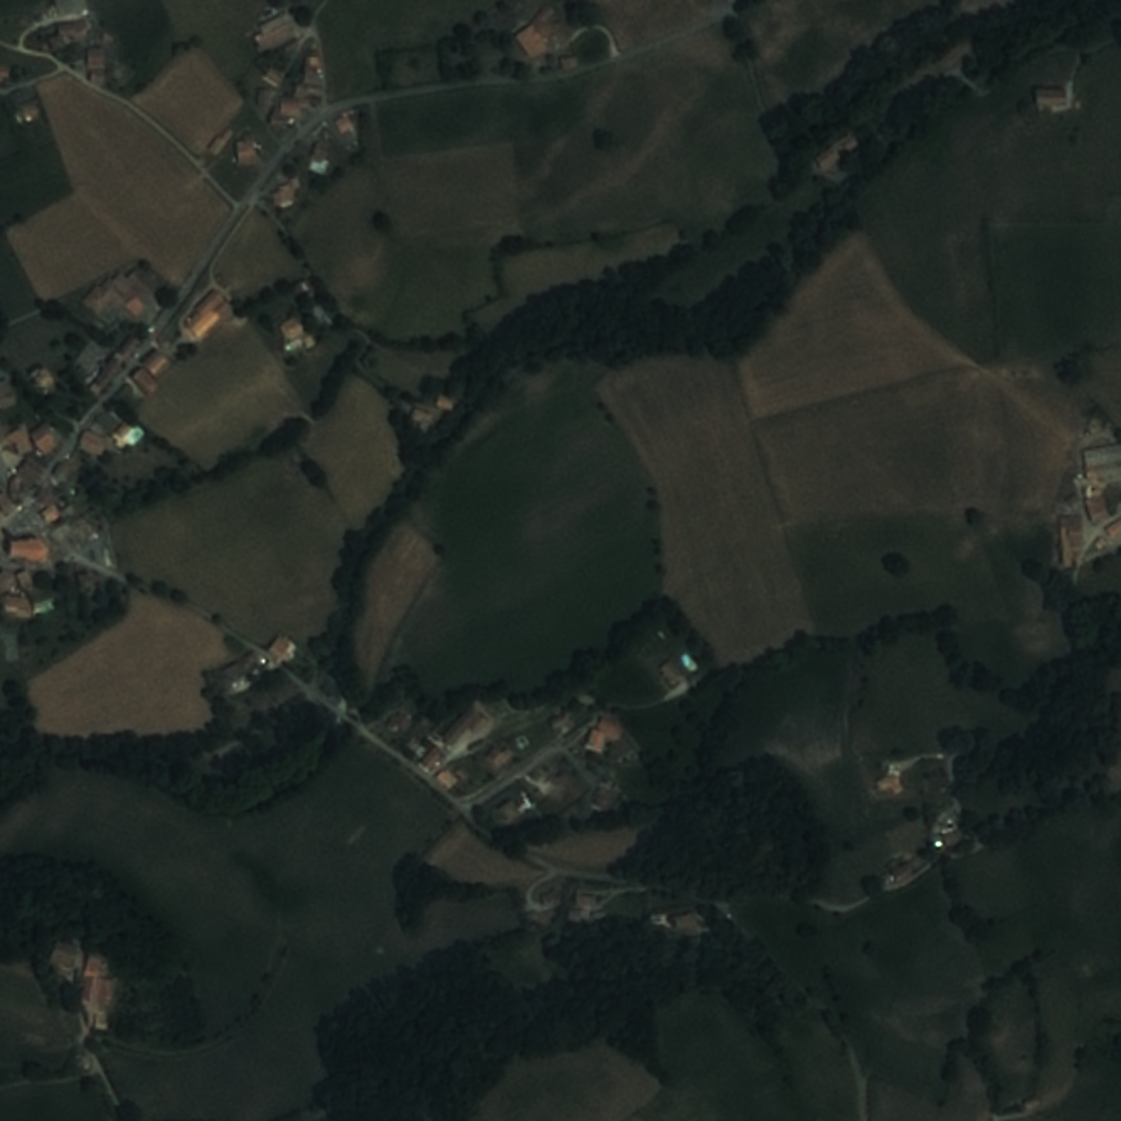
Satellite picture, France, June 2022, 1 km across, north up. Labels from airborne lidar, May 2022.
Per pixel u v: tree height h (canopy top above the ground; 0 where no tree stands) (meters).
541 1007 25
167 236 0
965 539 0
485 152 0
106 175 0
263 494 0
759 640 0
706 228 0
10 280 0
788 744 0
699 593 0
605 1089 0
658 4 0
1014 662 0
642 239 0
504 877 0
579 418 0
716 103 0
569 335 21
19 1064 0
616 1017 22
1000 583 0
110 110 0
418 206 0
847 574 0
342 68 0
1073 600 20
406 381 0
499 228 0
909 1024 0
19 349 0
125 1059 0
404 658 0
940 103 31
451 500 0
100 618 14
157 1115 0
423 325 0
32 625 8
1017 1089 0
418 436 19
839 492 0
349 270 0
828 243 19
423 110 0
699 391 0
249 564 0
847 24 0
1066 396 0
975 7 0
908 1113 0
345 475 0
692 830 31
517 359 20
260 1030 0
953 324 0
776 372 0
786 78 0
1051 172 0
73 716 0
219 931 0
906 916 0
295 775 18
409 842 0
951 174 0
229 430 0
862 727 0
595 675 21
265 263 0
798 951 0
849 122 19
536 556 0
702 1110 0
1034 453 0
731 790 14
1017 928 0
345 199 0
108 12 0
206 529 0
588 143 0
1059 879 0
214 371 0
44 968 11
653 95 0
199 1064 0
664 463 0
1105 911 0
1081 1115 0
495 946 8
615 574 0
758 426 0
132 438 0
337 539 0
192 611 0
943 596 0
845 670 0
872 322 0
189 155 0
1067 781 10
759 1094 0
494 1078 19
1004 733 0
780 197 17
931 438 0
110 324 0
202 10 0
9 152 0
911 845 0
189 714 0
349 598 8
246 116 0
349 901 0
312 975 0
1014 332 0
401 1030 25
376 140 0
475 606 0
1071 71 0
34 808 0
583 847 0
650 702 0
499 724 0
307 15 14
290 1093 0
